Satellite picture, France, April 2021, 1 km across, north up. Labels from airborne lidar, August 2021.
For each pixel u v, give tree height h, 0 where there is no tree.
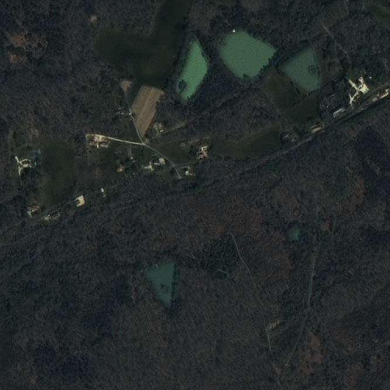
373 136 14
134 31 17
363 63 19
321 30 19
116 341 11
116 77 13
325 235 15
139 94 0
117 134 9
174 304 15
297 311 10
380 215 13
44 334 13
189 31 20
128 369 17
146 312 21
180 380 15
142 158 6
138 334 13
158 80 0
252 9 16
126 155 0
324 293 14
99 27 14
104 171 0
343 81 16
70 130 13
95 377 11
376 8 0
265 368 16
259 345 14
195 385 16
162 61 0
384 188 13
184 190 16
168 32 0
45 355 15
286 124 19
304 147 13
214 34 18
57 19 26
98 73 15
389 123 16
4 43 26
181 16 0
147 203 23
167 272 0
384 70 16
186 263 16
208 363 15
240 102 8
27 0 25
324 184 22
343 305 16
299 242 9
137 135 0
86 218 18
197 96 10
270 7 20
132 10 15
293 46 18
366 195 11
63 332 15
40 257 24
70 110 15
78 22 19
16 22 22
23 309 13
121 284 13
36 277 17
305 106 0
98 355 11
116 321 7
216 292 14
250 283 14
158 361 15
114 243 14
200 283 18
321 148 23
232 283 16
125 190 19
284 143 14
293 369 7
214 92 7
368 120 15
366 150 13
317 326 7
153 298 13
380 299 6
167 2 0
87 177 0
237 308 15
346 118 10
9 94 16
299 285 17
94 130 14
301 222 9
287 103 0
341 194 22
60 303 15
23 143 20
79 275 12
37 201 20
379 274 12
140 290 22
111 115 0
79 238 12
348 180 22
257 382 14
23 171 0
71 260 11
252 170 15
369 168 15
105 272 11
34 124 15
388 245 13
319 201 12
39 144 16
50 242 17
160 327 15
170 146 0
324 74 0
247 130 16
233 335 19
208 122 10
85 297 19
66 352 19
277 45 10
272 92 0
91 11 22
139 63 0
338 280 7
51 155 0
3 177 11
